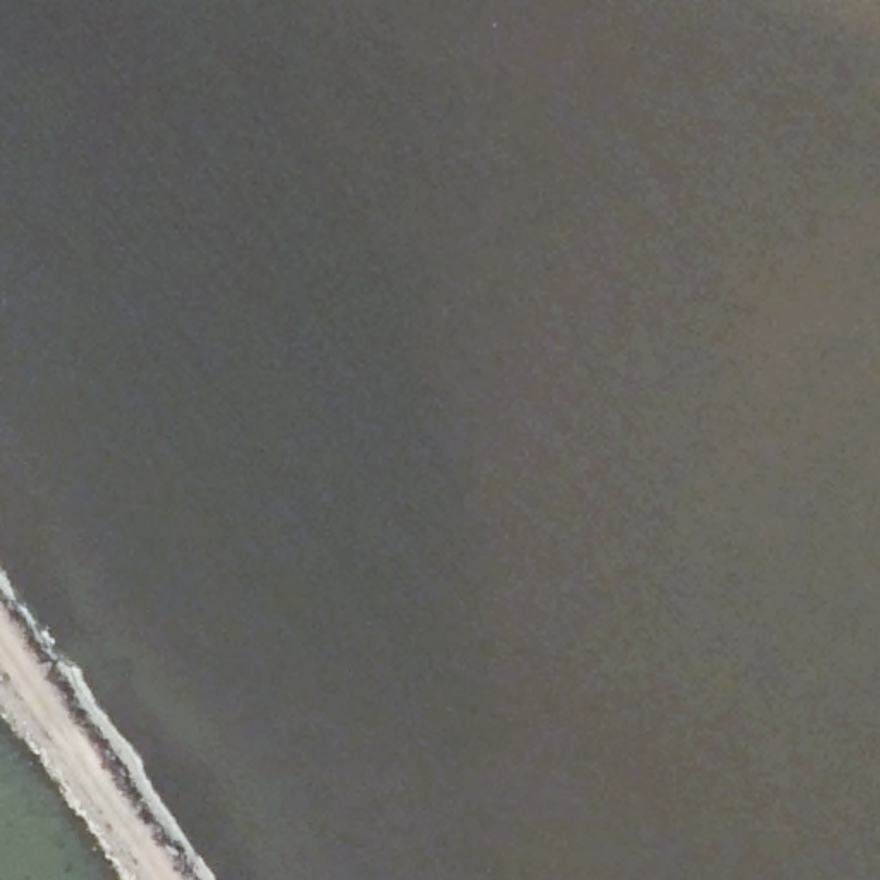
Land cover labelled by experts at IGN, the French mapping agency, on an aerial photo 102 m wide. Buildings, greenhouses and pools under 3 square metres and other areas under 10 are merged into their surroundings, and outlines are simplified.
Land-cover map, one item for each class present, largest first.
<instances>
[{"label":"water","instance_id":"1","mask_svg":"<svg viewBox=\"0 0 880 880\"><path fill-rule=\"evenodd\" d=\"M0 588L7 595L17 591L31 605L38 622L55 636V646L65 653V660H72L83 670L100 708L144 760L155 791L162 794L182 832L193 839L196 853L210 863V880H880V0H0ZM0 880H120L89 825L69 808L58 780L45 770L41 756L31 753V746L0 715Z\"/></svg>","mask_w":880,"mask_h":880},{"label":"pervious surface","instance_id":"2","mask_svg":"<svg viewBox=\"0 0 880 880\"><path fill-rule=\"evenodd\" d=\"M62 674L69 677L79 705L117 749V756L127 763L141 798L165 825V832L179 839V846H186V863L172 866V853L151 839L148 825L134 815L131 801L117 791L93 743L69 718L41 663L0 608V715L31 746V753L41 756L45 770L58 780L69 808L89 825L120 880H210V863L196 853L193 839L182 832L162 794L155 791L144 760L100 708L83 670L72 660H65Z\"/></svg>","mask_w":880,"mask_h":880},{"label":"brushwood","instance_id":"3","mask_svg":"<svg viewBox=\"0 0 880 880\"><path fill-rule=\"evenodd\" d=\"M0 608L41 663L69 718L93 743L117 791L131 801L134 815L148 825L151 839L172 853V866L186 863V846H179V839L165 832V825L141 798L127 763L117 756V749L79 705L69 677L62 674L65 660V653L55 646V636L38 622L31 605L17 591L7 595L0 588Z\"/></svg>","mask_w":880,"mask_h":880}]
</instances>
